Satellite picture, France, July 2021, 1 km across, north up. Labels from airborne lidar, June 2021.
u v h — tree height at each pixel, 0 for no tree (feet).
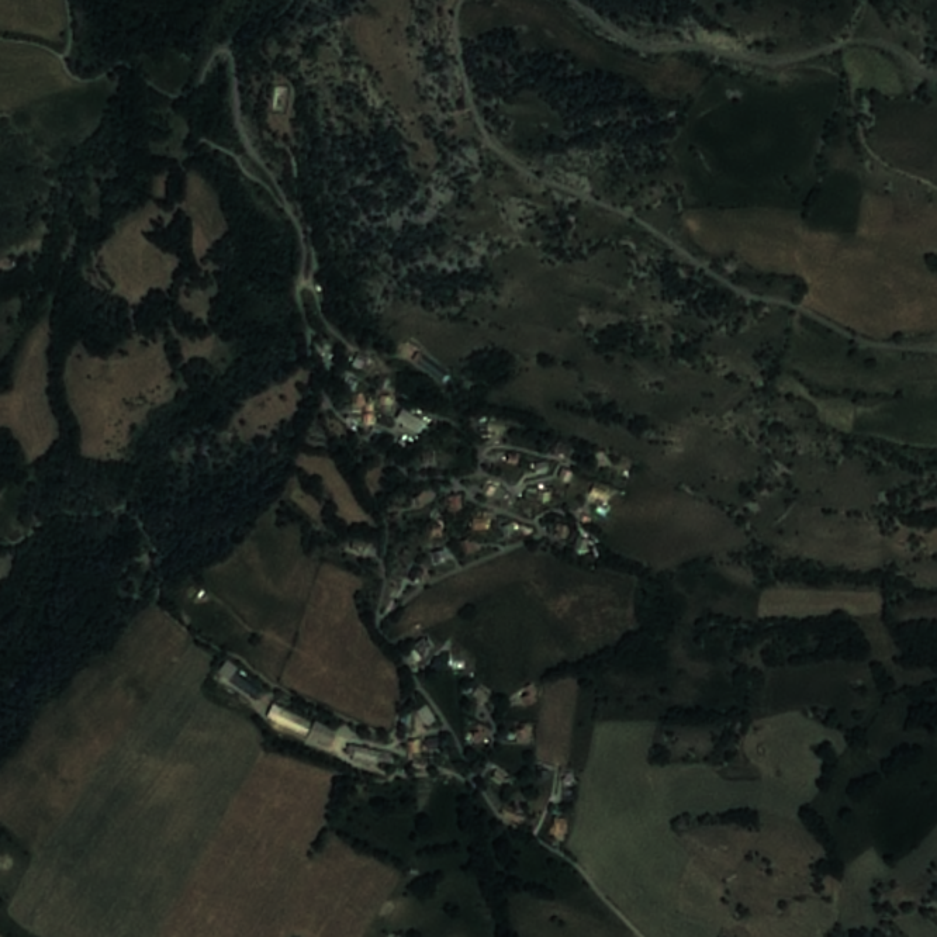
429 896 37
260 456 23
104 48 39
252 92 20
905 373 0
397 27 0
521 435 22
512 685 0
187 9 42
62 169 33
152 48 49
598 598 0
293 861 0
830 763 40
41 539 38
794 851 0
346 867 0
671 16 27
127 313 29
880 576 32
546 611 0
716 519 0
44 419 0
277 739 24
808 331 0
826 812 0
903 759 65
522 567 0
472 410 35
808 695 0
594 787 0
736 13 0
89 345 47
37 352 0
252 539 0
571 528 31
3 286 36
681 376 0
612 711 0
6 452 60
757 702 0
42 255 31
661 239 0
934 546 0
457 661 0
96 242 45
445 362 0
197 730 0
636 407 0
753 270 0
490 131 20
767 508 0
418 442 35
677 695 0
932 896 22
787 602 0
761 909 0
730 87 0
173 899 0
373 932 0
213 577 0
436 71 20
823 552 0
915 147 0
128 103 63
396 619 43
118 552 55
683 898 0
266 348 31
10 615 68
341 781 48
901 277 0
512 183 0
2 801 0
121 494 46
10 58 0
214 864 0
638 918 0
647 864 0
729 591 0
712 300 25
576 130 22
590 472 18
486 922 0
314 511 0
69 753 0
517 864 48
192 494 36
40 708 20
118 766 0
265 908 0
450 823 0
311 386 39
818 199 29
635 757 0
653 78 0
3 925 0
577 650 0
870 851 0
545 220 34
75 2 30
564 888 0
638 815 0
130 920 0
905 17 25
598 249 20
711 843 0
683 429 0
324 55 0
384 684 0
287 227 23
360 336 32
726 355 0
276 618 0
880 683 43
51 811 0
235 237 37
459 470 18
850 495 0
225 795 0
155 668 0
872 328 0
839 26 0
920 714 47
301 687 0
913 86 0
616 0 40
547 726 0
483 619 0
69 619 60
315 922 0
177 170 35
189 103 52
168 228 31
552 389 0
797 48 0
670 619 20
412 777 31
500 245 19
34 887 0
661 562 0
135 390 0
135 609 21
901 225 0
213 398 42
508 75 24
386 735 41
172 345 35
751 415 0
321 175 25
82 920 0
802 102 0
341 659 0
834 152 0
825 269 0
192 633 33
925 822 0
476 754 45
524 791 37
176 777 0
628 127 22
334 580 0
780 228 0
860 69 0
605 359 22
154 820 0
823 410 0
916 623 28
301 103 26
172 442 32
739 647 31
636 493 0
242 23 36
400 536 20
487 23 0
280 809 0
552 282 0
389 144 31
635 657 39
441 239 25
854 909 0
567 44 0
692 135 0
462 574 0
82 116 0
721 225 0
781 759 0
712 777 0
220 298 43
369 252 20
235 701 0
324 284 39
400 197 23
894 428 0
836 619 32
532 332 0
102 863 0
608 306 0
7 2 0
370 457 39
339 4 23
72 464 40
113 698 0
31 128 0
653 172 20
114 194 58
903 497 31
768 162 0
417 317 0
